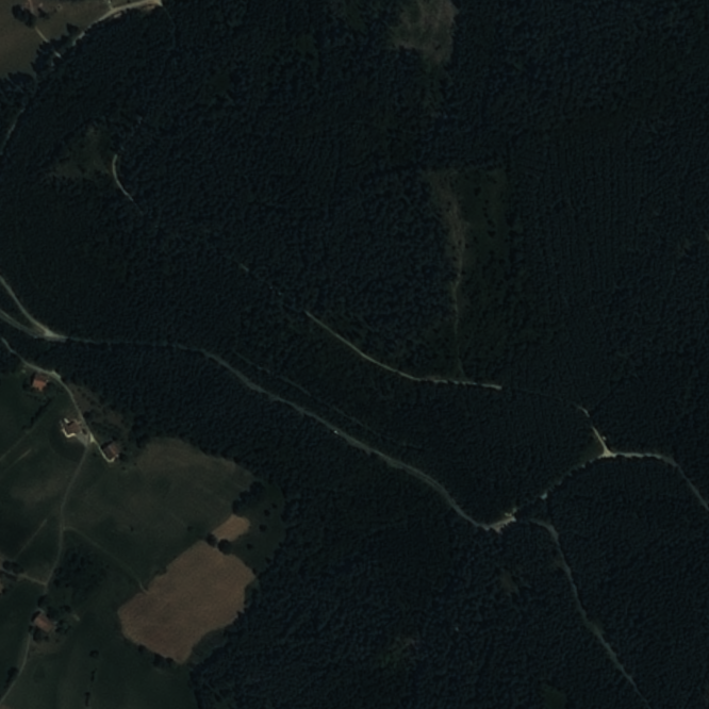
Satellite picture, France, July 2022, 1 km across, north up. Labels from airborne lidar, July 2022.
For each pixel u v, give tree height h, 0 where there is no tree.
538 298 14
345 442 21
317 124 21
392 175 32
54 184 12
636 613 25
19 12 19
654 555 26
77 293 15
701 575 30
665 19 32
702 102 18
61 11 0
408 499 18
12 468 0
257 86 20
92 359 26
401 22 29
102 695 0
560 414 18
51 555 0
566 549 23
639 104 13
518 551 23
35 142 15
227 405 21
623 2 37
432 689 30
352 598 25
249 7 12
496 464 15
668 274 28
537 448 18
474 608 24
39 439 0
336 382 15
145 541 0
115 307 22
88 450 0
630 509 24
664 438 26
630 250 18
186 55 28
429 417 26
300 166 15
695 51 16
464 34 18
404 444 14
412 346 39
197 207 33
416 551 15
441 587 13
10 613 0
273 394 11
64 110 16
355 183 24
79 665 0
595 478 20
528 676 28
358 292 26
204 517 0
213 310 29
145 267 22
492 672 32
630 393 27
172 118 7
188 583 0
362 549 12
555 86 37
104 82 21
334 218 31
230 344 22
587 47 32
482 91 17
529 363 15
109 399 21
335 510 9
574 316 14
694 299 26
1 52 0
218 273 27
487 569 30
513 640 26
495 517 25
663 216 23
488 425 21
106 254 18
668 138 26
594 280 16
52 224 12
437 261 37
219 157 32
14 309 16
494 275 8
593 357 17
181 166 32
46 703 0
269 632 23
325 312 36
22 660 0
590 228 20
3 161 15
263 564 0
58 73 18
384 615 25
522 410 22
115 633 0
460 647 24
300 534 14
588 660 32
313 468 16
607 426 23
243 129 26
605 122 16
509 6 20
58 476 0
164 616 0
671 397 23
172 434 21
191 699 0
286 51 16
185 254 30
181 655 0
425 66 26
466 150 22
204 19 17
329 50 23
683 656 22
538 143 13
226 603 0
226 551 18
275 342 13
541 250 18
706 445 18
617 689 28
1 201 15
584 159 16
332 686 22
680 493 19
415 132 15
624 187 19
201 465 0
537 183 16
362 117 17
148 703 0
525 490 19
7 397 0
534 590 23
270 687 29
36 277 10
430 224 32
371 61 25
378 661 16
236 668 17
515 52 12
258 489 19
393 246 34
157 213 33
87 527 0
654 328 25
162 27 15
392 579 20
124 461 14
